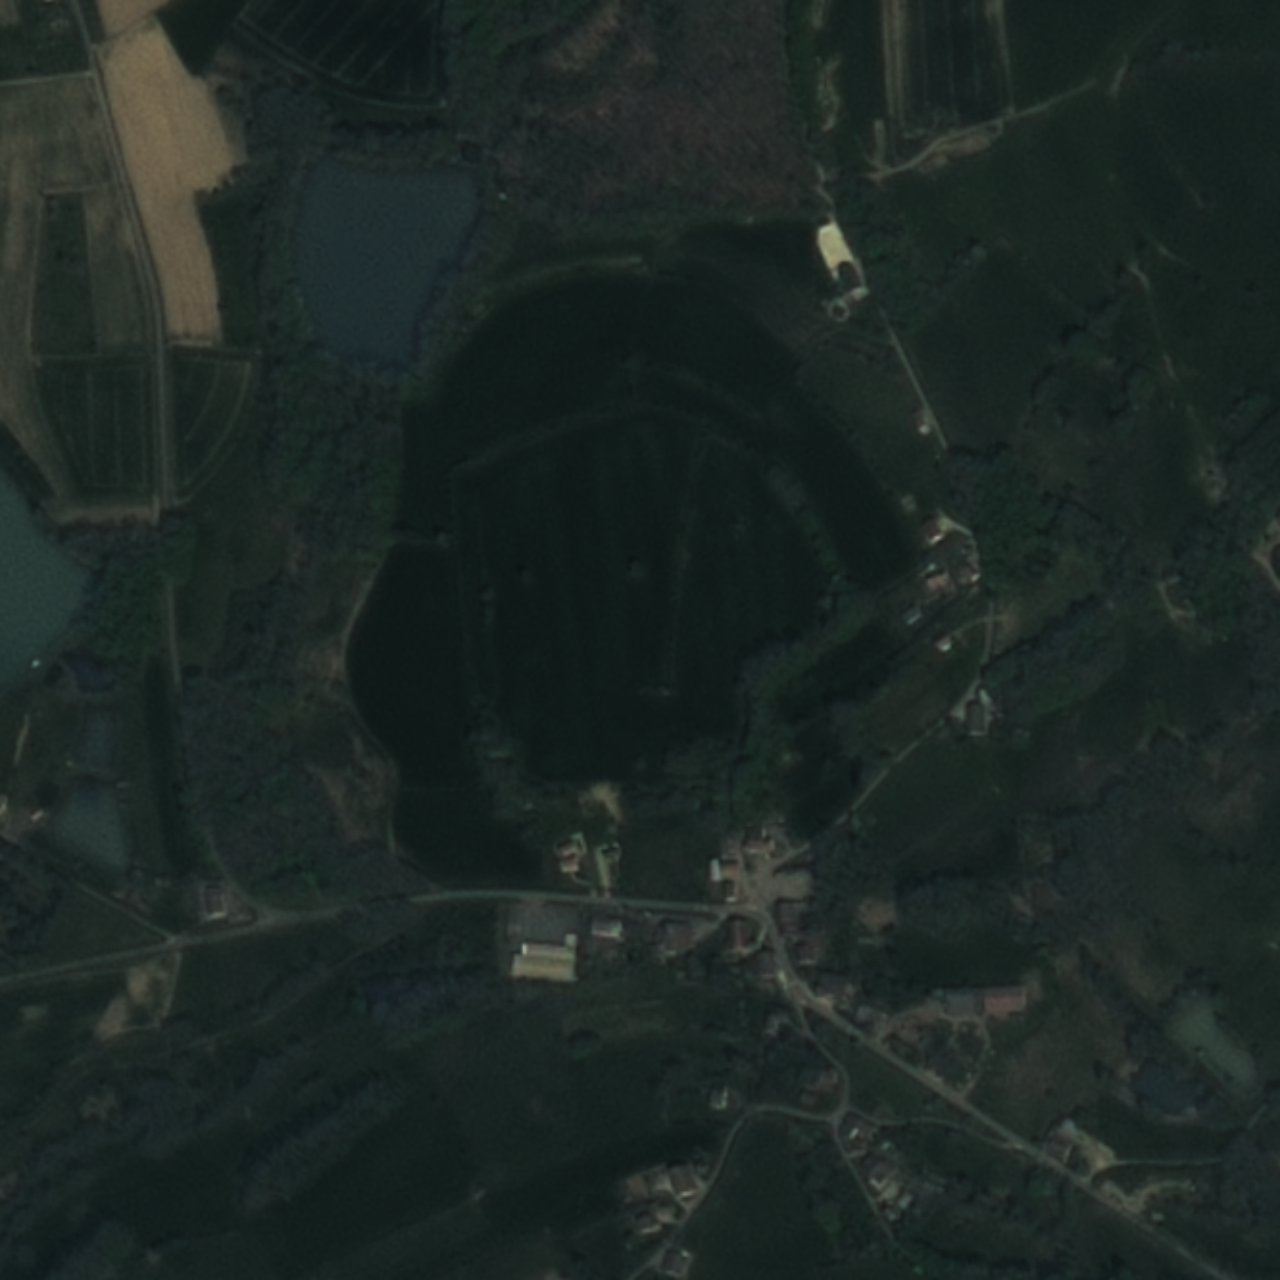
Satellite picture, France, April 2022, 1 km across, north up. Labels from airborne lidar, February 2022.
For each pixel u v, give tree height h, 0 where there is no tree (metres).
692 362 0
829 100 0
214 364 0
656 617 0
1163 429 0
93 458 0
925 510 0
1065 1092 0
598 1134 0
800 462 0
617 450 0
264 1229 0
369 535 30
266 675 26
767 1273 0
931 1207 15
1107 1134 0
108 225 0
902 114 0
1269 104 0
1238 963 0
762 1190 0
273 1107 0
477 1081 0
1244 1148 24
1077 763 0
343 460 24
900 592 0
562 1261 0
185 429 0
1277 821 0
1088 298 0
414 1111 0
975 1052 0
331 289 0
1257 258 0
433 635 0
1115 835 22
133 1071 0
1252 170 0
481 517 0
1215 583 27
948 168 0
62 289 0
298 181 20
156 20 0
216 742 28
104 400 0
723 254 0
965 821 0
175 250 0
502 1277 0
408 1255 0
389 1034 21
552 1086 0
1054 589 0
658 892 0
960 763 0
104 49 0
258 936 0
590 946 0
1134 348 0
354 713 0
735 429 0
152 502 0
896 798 0
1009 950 0
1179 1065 17
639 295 0
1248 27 0
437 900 0
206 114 0
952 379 0
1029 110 0
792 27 15
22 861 14
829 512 0
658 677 0
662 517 0
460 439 0
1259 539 22
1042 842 0
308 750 0
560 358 0
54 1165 22
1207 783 16
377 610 0
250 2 0
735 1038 0
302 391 26
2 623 0
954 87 0
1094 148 0
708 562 0
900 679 10
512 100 26
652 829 0
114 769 0
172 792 0
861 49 0
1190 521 0
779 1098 0
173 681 0
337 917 0
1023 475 20
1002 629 0
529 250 0
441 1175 0
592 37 0
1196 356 0
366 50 0
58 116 0
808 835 0
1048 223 0
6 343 0
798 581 0
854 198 14
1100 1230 0
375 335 0
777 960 0
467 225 0
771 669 27
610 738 0
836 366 0
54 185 0
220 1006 0
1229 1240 0
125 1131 21
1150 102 0
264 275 15
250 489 0
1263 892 0
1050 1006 0
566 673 0
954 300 0
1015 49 0
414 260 0
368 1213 0
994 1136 0
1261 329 0
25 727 0
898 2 0
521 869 0
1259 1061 8
